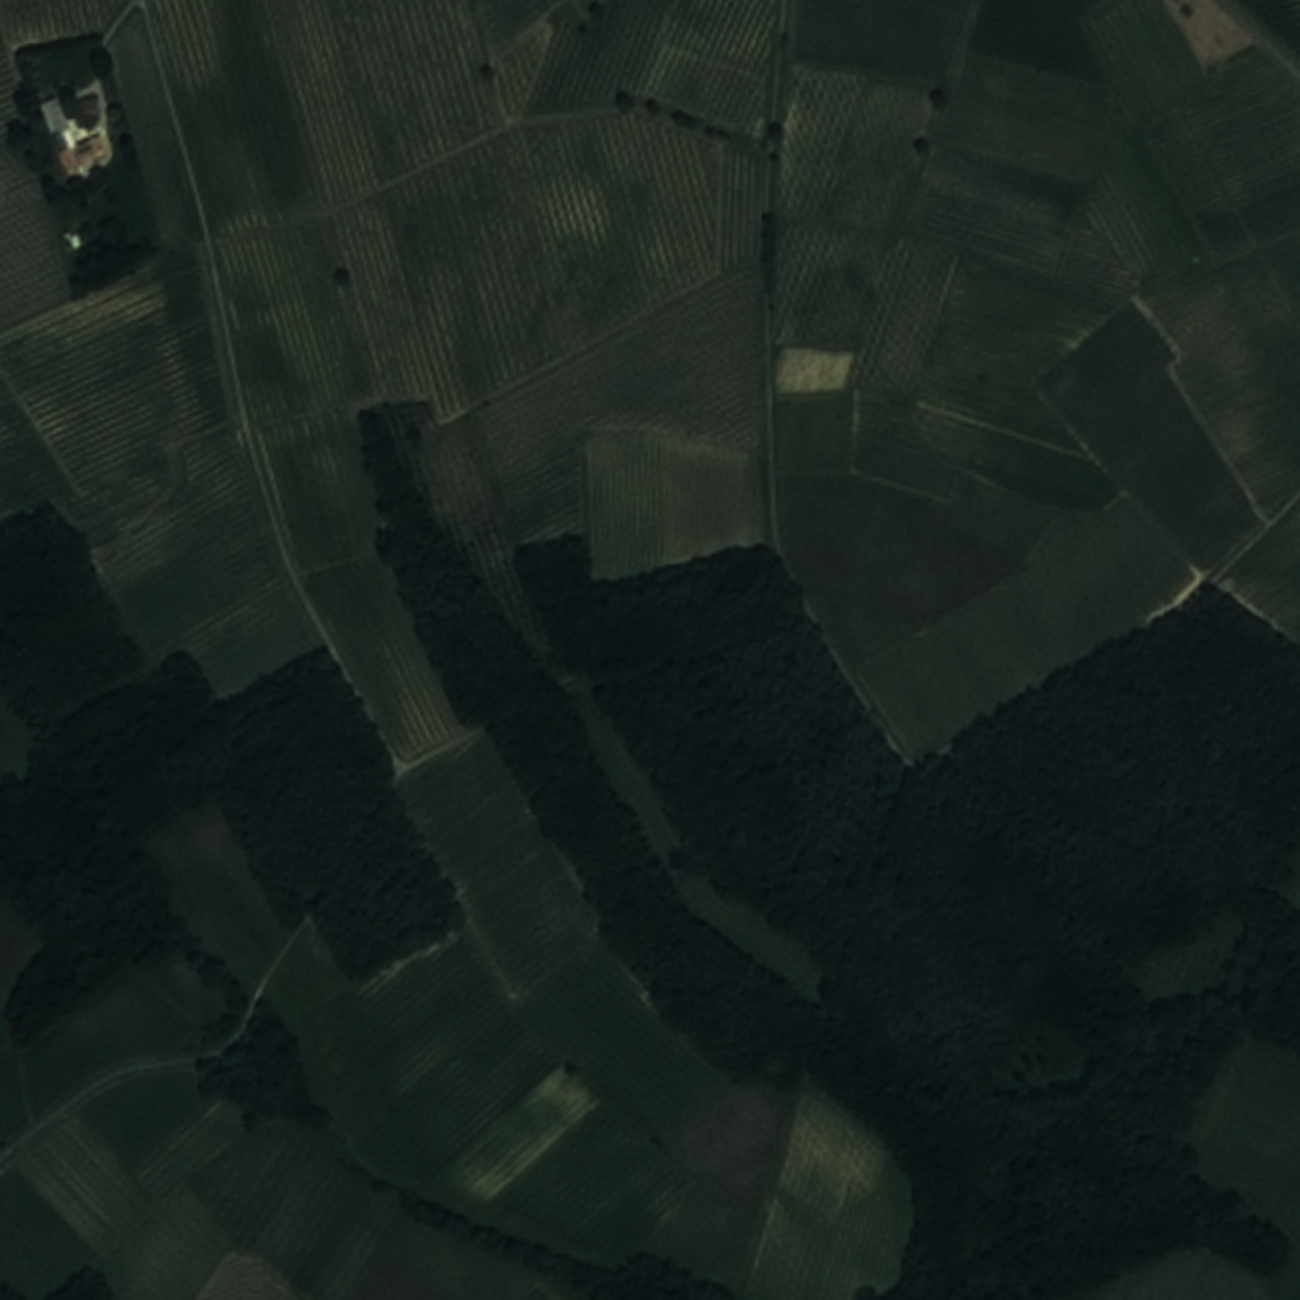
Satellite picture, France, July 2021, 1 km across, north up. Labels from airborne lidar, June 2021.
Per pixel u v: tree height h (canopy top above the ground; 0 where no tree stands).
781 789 20
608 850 24
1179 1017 27
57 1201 0
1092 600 0
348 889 20
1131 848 20
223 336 0
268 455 0
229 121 0
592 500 0
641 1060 0
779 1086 9
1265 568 0
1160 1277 0
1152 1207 22
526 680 25
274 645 0
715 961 26
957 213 0
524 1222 0
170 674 16
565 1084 0
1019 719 20
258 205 0
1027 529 0
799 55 0
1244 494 0
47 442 0
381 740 15
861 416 0
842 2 0
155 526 0
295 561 0
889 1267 0
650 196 0
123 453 0
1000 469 0
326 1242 0
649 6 0
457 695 14
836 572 0
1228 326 0
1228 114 0
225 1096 12
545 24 0
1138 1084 16
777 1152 0
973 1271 20
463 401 0
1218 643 17
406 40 0
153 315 0
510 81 0
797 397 0
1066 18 0
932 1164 19
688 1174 0
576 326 0
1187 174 0
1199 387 0
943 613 0
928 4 0
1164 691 26
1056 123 0
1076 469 0
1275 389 0
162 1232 0
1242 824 25
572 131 0
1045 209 0
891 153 0
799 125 0
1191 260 0
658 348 0
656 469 0
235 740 24
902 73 0
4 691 10
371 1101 0
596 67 0
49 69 0
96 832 16
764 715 25
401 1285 0
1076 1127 24
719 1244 0
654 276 0
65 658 11
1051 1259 22
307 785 24
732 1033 19
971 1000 17
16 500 0
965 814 20
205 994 0
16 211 0
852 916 20
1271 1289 0
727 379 0
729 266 0
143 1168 0
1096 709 21
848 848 10
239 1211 0
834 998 25
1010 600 0
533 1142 0
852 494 0
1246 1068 0
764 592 20
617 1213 0
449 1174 0
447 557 24
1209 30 0
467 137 0
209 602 0
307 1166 0
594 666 16
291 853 20
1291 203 0
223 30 0
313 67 0
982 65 0
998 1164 20
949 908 20
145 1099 0
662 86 0
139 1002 0
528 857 0
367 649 0
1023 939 20
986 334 0
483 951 0
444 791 0
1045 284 0
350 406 0
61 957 8
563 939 0
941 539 0
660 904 23
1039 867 24
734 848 24
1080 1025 24
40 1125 0
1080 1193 28
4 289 0
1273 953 27
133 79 0
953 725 0
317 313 0
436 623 23
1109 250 0
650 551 0
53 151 10
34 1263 0
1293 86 0
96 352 0
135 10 0
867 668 0
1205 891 21
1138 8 0
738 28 0
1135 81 0
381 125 0
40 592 18
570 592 21
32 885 23
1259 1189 0
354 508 0
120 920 26
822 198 0
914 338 0
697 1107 0
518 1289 0
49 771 13
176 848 0
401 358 0
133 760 25
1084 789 22
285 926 8
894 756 20
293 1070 18
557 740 20
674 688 19
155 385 0
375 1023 0
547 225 0
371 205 0
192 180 0
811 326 0
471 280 0
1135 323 0
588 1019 0
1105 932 21
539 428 0
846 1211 0
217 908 0
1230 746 20
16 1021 12
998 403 0
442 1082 0
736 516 0
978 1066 22
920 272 0
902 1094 19
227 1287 0
